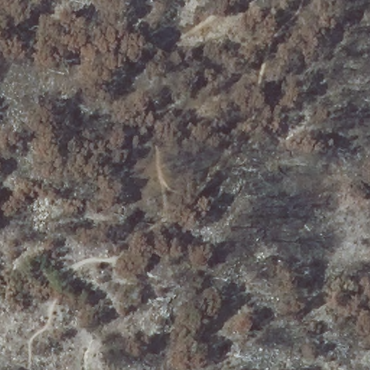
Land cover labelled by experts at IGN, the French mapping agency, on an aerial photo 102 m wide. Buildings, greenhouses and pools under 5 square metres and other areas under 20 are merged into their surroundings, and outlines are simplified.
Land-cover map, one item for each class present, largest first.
<instances>
[{"label":"coniferous trees","instance_id":"1","mask_svg":"<svg viewBox=\"0 0 370 370\"><path fill-rule=\"evenodd\" d=\"M370 6V0H91L90 6H84L81 10H64L58 20L53 19L52 14H42L38 20L30 16V12L36 7L32 0H0V69H7L12 74H48L56 69L75 66L81 87V90L69 98H61V91H46L45 94L39 95V106L45 113H36L27 120V130L36 133V139L27 143L29 149L33 150L36 179L30 178L25 184V189L14 192L0 182V230L9 227L12 231H19L13 240L10 257L22 263L19 269L4 273L6 285L0 283V299L9 302L10 311L25 312L26 309L29 314H35L43 302L52 299L58 301L62 312L61 328L43 332L32 343V353L46 357L49 354L61 353L64 341L74 338L79 331L92 332L95 328L117 319V308H123L124 315L136 311L145 312L149 299L160 298L169 292L175 293V298L168 302L166 308L169 317L159 319V330L156 334L168 332L166 363L178 370H201L207 364V347L195 341V331L199 325L208 324V319H201L199 312L205 309L210 315L217 314L221 305L218 291L224 288L225 283H244L246 293L251 295L250 301L244 304L249 306V312L257 311L259 308H270L280 314L298 311L305 305L296 301L289 272L282 260H277V264H273L269 257L257 259L254 254L249 260L241 262L238 257H231L228 254L225 262L215 267L208 266V259L212 256V241H204L202 236L194 237L191 233L199 227L198 220L201 215L207 214V197H214L217 194L225 179L220 172H215L210 184L202 191L205 198L195 197L191 186H185L178 192L168 185L163 175L162 152H181L186 156L192 153L199 158H207L215 155L218 149H228L233 143L231 134H238L240 142L254 139V142L260 145H269L272 140L277 139L280 147L295 149L298 153L296 158L282 159L283 166H306L318 165L319 160L324 156H330L337 147L345 149L350 146L347 137L332 132L321 133L315 124L309 126L311 111L304 110V104L314 103L317 95L328 91L327 84L321 82L324 75L317 71V74L312 75L311 87L304 92L293 91L292 82L286 79L289 78V74H296L306 68V64L314 61L315 53L324 43L328 48H335L338 42L343 40L345 23L360 22ZM38 198H48L49 204L61 208L62 211L56 217L46 218L42 231L33 228V215H38V211L33 210V202ZM69 236H74V240L85 247H100L106 243L108 254L100 253L98 256L79 260L72 264V270L65 272L62 269L64 263L61 257L71 253V249L65 246V240ZM327 293L325 301L332 305V308L325 312L334 319L338 331L351 328L354 331V340L360 347L364 351L370 350V263H351L338 275H324L322 288Z\"/></svg>","mask_w":370,"mask_h":370},{"label":"bare soil","instance_id":"2","mask_svg":"<svg viewBox=\"0 0 370 370\"><path fill-rule=\"evenodd\" d=\"M36 7L30 12V16L38 20L42 14H52L53 19L58 20L64 10H81L84 6H90L91 0H32ZM317 71L324 75L321 82L327 84L328 91L317 95L314 103L304 104V110L311 111L309 126L315 124L321 133L332 132L347 137L350 146L345 149L337 147L330 156H324L319 160L318 165L306 166H283L282 159L296 158L298 153L295 149L280 147L277 139L272 140L269 145H260L254 142V139L240 142L238 134H231L233 143L228 149H218L215 155L207 158H199L192 153L186 156L181 152H162L163 175L168 185L178 192L185 186H191L195 197L205 198L202 191L210 184L215 172H220L225 179L217 194L214 197H207V214L201 215L198 220L199 227L191 233L194 237L202 236L204 241H212V256L208 259V266L215 267L225 262L228 254L231 257H238L241 262L249 260L254 254L257 259L269 257L273 264H277V260H282L289 272L296 301L305 305L298 311L280 314L270 308H259L257 311L249 312V306L244 304L250 301L251 295L246 293L244 283H225L224 288L218 291L221 305L217 314L210 315L205 309L199 312L201 319H208V324L199 325L195 331V341L207 347V364L201 370H370V350L364 351L360 347L354 340V331L351 328L338 331L334 319L325 312L332 308V305L325 301L327 293L322 288L324 275H338L351 263H370V6L360 22L345 23L343 40L338 42L335 48H328L324 43L315 53L314 61L306 64V68L296 74H289V78L286 79L292 82L293 91L304 92L311 87L312 75L317 74ZM81 90V87L75 66L56 69L48 74H12L7 69H0V182L14 192L25 189V184L30 178L36 179L33 150L29 149L27 143L36 139V133L27 130V120L36 113H45L39 106V95L45 94L46 91H61V98H69ZM33 210L38 211V215H33V228L42 231L46 218L56 217L62 211L61 208L49 204L48 198H38L33 202ZM19 231H12L9 227L0 230V283L6 285L4 273L19 269L22 263L10 257L13 240ZM65 246L71 249V253L61 257L64 263L62 269L65 272L72 270V264L79 260L98 256L100 253L108 254L106 243L100 247H85L74 240V236H69L65 240ZM175 298V293L169 292L160 298L149 299L145 312L136 311L124 315L123 308H117V319L95 328L92 332L79 331L74 338L64 341L61 353L49 354L46 357L32 353V343L43 332L61 328L62 312L58 301L52 299L43 302L35 314H29L26 309L25 312L10 311L9 302L0 299V370H178L166 363L168 332L156 334L159 330V319L169 317L166 308L168 302Z\"/></svg>","mask_w":370,"mask_h":370}]
</instances>
